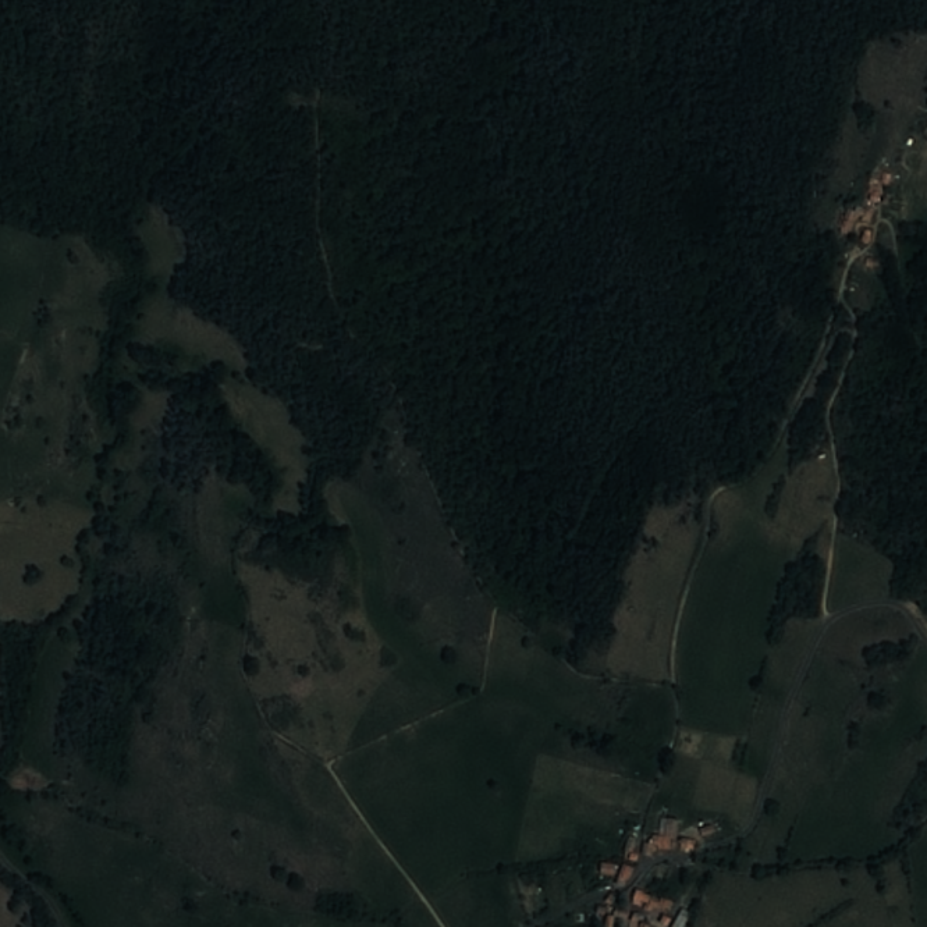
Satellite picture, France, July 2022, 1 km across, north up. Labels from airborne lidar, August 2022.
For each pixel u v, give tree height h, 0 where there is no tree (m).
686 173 21
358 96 17
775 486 6
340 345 17
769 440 18
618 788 0
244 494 0
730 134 18
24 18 10
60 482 0
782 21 17
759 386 15
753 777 0
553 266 15
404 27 23
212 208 13
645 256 14
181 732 0
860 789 0
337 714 0
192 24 27
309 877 0
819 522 0
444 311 15
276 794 0
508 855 0
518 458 27
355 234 8
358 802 0
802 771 0
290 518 20
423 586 0
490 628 0
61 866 0
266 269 16
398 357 8
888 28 10
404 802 0
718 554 0
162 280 0
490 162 15
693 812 0
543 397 13
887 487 10
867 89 0
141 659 13
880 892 9
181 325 0
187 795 0
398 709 0
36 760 0
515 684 0
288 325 12
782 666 0
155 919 0
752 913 0
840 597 0
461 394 17
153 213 0
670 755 15
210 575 0
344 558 0
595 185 14
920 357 11
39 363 0
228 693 0
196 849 0
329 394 8
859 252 0
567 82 12
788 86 18
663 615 0
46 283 0
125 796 0
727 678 0
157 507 10
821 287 10
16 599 0
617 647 0
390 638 0
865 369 7
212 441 15
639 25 13
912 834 12
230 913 0
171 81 18
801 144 14
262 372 12
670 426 14
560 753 0
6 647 13
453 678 0
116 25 9
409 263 18
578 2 13
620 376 12
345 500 0
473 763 0
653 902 0
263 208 11
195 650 0
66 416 0
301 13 6
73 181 18
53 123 8
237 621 0
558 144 9
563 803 0
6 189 10
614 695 0
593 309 22
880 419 16
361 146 7
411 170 16
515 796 0
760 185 14
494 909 0
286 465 0
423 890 0
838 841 0
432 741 0
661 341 9
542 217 11
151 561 0
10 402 0
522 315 17
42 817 0
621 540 8
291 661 0
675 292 9
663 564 0
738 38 15
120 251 7
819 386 7
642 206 12
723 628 0
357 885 0
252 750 0
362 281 7
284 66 15
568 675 0
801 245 7
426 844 0
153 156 28
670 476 12
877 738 0
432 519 0
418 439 12
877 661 9
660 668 0
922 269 15
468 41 21
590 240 15
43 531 0
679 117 22
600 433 16
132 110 18
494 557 14
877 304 6
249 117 16
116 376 7
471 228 15
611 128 11
